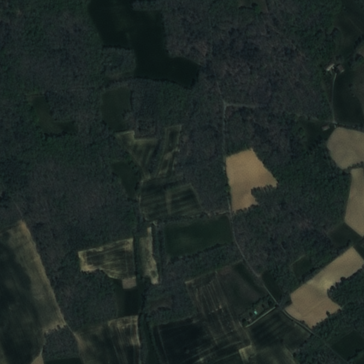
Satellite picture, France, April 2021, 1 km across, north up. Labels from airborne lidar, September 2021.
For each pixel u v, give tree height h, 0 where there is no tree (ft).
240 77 54
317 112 69
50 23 54
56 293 40
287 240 67
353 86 41
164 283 40
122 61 37
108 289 65
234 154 62
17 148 61
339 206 66
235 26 46
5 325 0
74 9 76
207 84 40
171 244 0
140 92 55
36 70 43
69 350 57
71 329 49
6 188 48
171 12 28
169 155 0
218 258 64
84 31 64
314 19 65
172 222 46
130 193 0
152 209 0
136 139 22
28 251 0
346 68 0
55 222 56
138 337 0
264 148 52
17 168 69
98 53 74
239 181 0
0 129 67
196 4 53
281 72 51
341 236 0
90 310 65
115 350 0
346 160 0
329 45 79
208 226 0
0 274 0
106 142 68
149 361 0
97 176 72
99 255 0
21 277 0
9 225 52
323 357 67
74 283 39
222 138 68
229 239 0
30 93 66
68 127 0
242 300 0
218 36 67
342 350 0
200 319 0
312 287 0
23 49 52
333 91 0
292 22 67
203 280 0
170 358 0
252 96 27
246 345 0
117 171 0
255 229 57
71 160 80
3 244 0
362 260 0
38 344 0
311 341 39
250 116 67
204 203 46
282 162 69
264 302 37
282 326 0
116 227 54
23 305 0
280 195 54
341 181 74
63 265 60
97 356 0
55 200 45
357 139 0
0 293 0
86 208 55
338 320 53
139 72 0
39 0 70
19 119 64
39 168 55
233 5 78
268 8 25
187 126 29
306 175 54
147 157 0
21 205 52
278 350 0
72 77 29
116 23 0
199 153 52
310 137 0
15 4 58
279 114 38
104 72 28
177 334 0
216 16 56
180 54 37
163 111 77
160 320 77
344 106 0
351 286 73
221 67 48
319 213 59
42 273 0
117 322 0
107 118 0
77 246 69
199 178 54
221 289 0
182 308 63
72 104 77
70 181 50
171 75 0
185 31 47
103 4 0
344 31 0
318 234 66
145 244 0
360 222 0
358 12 0
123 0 0
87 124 63
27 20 66
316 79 67
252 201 0
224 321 0
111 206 53
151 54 0
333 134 0
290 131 58
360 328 75
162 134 63
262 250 48
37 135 75
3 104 65
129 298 0
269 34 32
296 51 21
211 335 0
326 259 86
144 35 0
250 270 47
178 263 70
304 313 0
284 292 33
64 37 67
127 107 0
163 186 0
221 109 46
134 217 82
